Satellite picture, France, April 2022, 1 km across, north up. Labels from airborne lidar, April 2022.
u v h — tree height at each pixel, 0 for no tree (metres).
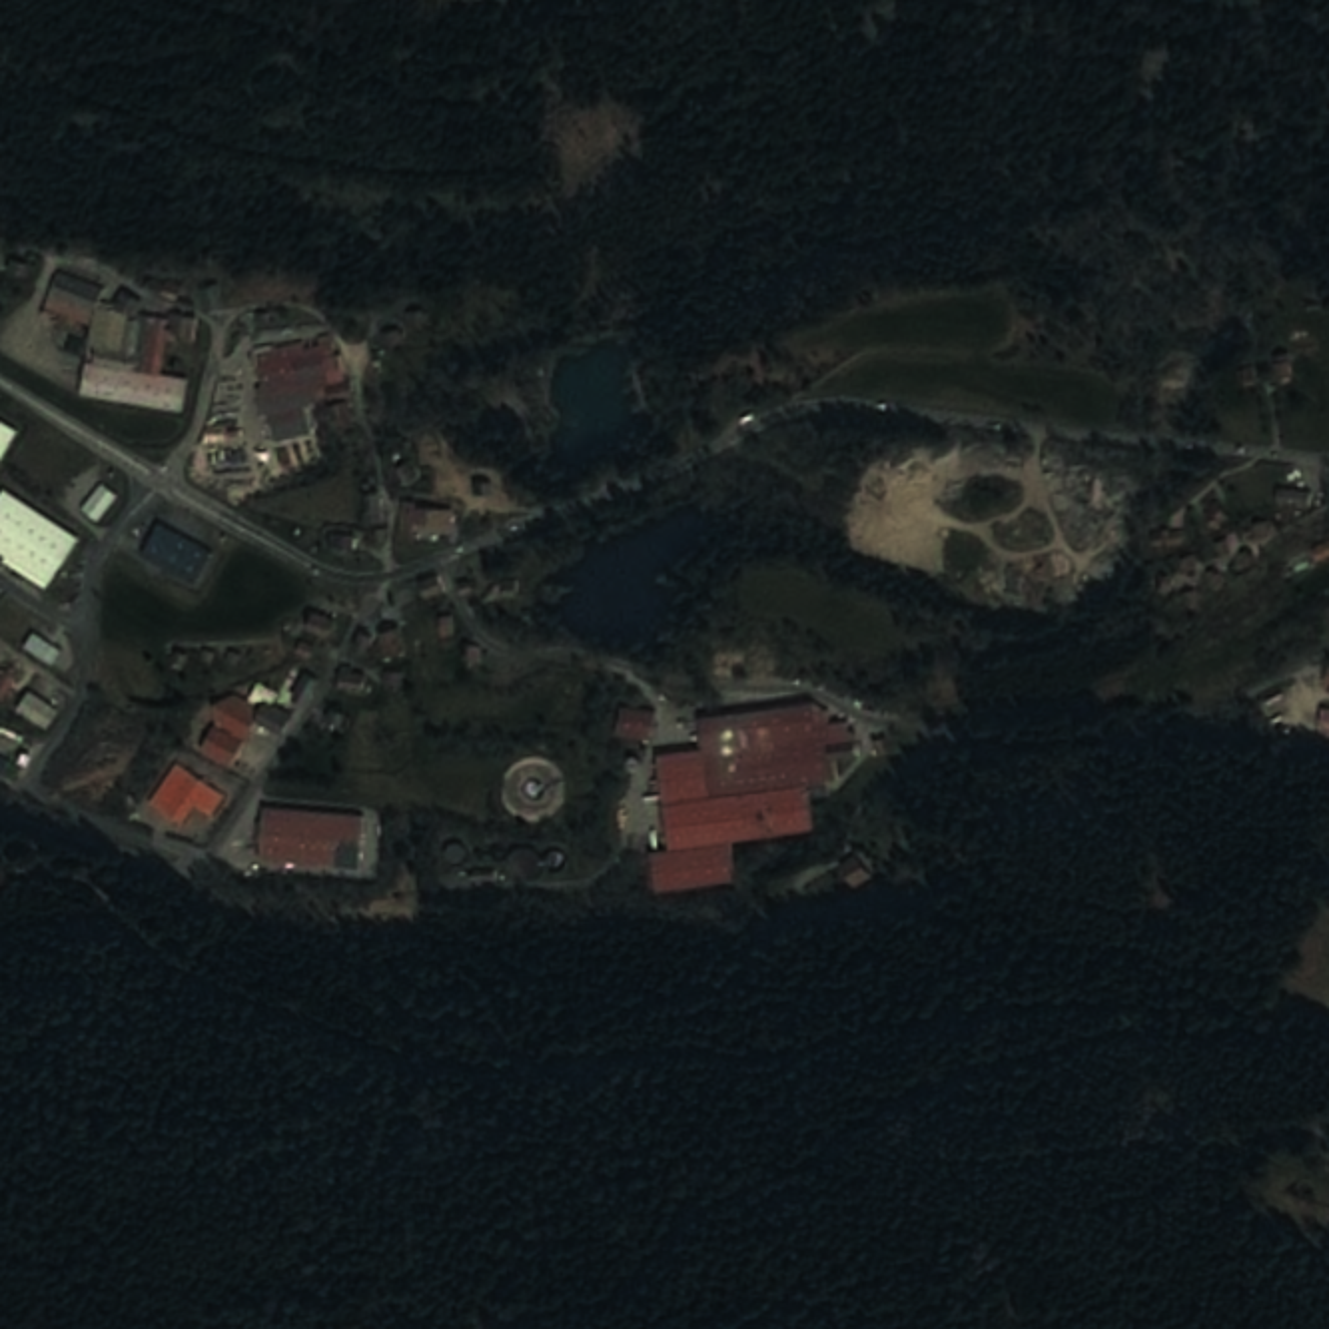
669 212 28
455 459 0
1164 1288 21
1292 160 32
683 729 0
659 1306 34
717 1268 31
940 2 26
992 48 27
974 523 0
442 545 0
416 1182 33
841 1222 29
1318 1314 30
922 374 0
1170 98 31
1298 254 23
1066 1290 23
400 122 24
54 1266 21
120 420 0
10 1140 27
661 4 29
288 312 6
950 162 33
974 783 10
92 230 32
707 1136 30
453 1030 20
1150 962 32
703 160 34
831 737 0
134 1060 27
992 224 28
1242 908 31
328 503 0
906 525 0
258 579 0
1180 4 28
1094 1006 10
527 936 15
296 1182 30
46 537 0
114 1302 25
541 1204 27
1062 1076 32
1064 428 0
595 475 18
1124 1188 22
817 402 0
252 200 23
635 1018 35
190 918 36
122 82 19
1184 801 29
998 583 0
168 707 7
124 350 0
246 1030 31
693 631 15
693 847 0
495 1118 27
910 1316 28
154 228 28
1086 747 28
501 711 0
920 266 25
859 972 32
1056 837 24
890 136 34
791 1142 33
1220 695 0
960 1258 18
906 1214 34
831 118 30
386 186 15
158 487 0
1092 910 29
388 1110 32
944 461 0
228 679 0
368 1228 33
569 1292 31
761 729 0
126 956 36
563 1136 27
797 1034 35
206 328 0
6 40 20
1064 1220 20
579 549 22
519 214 22
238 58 16
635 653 11
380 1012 18
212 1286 20
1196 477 6
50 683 0
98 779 0
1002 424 0
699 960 19
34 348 0
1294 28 31
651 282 28
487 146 26
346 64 22
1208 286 12
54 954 23
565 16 32
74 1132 29
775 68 36
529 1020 28
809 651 8
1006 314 0
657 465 19
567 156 24
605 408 0
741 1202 33
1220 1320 26
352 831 0
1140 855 30
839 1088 34
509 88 7
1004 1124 25
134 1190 28
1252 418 0
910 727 0
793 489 14
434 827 14
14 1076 25
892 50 27
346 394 0
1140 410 18
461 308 15
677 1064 28
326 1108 30
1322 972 0
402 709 0
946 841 7
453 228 17
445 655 0
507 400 0
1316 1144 23
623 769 12
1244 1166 19
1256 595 6
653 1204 32
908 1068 31
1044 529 0
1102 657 25
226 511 0
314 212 17
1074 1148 21
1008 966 37
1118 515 0
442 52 18
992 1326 19
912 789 25
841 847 6
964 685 21
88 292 0
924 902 15
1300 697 0
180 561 0
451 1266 29
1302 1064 25
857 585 17
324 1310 31
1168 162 30
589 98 30
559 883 0
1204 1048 26
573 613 0
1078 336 8
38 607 0
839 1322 28
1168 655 28
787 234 31
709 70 30
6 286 9
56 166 32
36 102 20
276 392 0
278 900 14
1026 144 36
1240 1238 28
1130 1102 27
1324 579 0
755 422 0
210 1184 27
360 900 7
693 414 8
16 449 0
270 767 0
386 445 6
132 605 0
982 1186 25
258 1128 25
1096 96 28
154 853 0
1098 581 0
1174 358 0
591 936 19
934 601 14
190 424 0
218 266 13
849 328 0
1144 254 6
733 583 8
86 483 0
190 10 20
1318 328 0
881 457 0
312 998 17
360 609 0
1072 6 19
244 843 0
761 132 31
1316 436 0
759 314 29
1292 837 23
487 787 0
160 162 22
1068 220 22
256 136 17
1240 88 28
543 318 18
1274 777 26
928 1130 23
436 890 13
